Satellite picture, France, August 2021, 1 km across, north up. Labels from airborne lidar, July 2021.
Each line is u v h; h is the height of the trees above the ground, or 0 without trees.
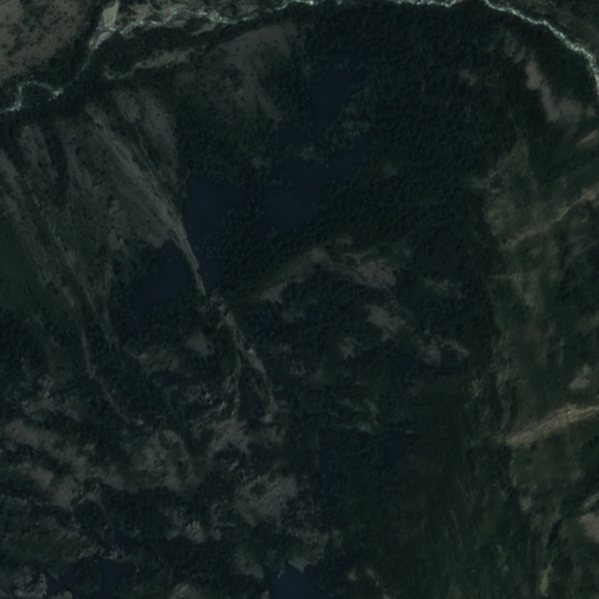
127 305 6
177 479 0
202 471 0
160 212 0
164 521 7
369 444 11
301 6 12
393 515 0
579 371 0
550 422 0
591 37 0
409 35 7
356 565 6
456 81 8
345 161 0
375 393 0
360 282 0
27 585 0
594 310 8
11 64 5
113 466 0
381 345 7
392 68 12
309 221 12
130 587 0
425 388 0
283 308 10
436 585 0
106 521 6
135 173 0
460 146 6
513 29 11
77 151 6
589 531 0
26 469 0
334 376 0
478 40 9
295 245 10
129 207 0
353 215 6
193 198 0
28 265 0
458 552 0
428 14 7
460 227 6
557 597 0
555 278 0
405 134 8
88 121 7
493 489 0
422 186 6
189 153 7
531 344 0
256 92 0
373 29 9
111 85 8
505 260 7
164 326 6
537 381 0
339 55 9
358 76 5
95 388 7
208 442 0
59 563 0
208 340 8
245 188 6
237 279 10
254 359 0
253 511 0
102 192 0
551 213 0
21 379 0
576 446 0
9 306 0
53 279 0
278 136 6
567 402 0
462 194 8
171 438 0
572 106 0
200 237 6
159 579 0
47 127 10
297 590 0
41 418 0
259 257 13
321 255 0
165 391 0
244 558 0
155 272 6
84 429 9
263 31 0
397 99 8
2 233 0
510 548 0
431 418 0
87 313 6
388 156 8
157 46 9
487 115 8
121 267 12
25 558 0
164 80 13
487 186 0
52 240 0
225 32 10
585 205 6
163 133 0
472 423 0
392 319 0
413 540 0
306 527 0
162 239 0
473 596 0
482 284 10
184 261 6
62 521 8
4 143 11
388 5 7
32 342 9
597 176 0
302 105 8
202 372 11
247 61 0
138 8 0
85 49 13
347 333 6
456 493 0
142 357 0
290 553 0
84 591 0
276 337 10
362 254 0
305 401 0
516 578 0
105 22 0
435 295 0
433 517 0
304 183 13
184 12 0
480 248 9
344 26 14
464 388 0
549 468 0
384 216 9
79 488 0
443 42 9
